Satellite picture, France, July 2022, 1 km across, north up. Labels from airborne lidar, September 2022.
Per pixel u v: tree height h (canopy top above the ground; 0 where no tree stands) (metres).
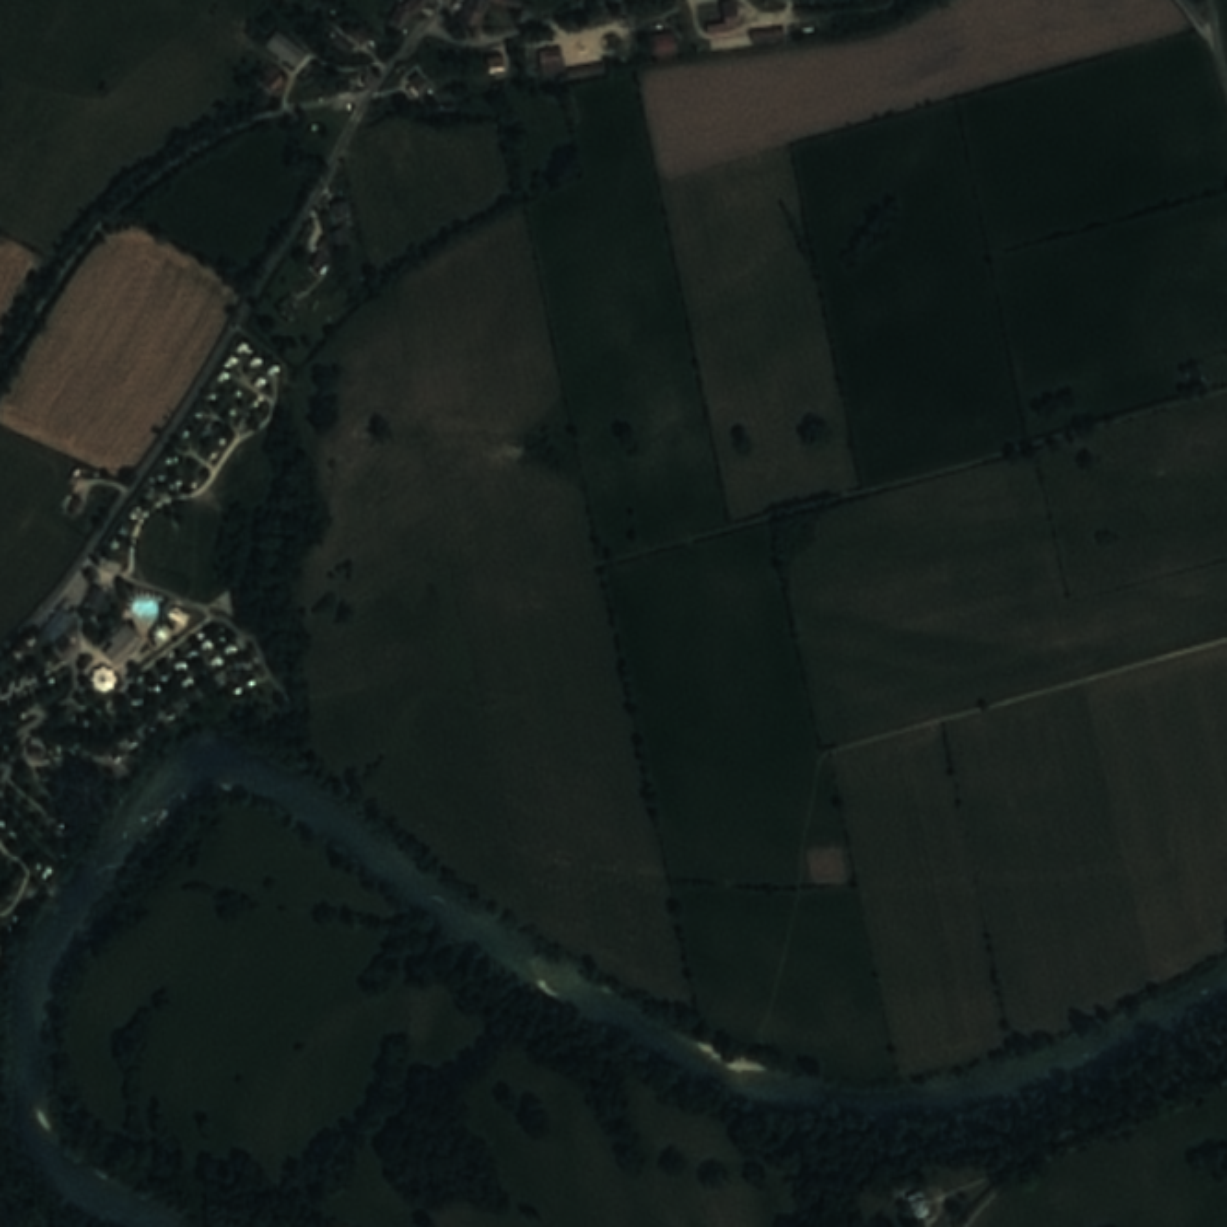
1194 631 0
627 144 0
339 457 0
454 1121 20
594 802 0
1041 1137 25
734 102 0
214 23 0
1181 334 0
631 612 0
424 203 0
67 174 0
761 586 0
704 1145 0
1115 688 0
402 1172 21
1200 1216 0
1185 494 0
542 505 0
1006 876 0
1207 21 0
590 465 0
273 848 0
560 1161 0
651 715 0
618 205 0
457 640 0
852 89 0
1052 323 0
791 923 0
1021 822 0
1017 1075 0
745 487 0
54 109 0
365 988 17
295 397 0
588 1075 8
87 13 0
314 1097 0
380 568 0
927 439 0
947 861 0
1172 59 0
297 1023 0
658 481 0
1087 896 0
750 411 0
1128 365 0
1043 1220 0
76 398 0
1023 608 0
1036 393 0
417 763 0
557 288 0
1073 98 0
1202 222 0
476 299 0
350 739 0
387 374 0
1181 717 0
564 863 0
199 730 15
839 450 0
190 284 0
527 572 0
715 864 0
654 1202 0
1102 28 0
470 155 0
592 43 0
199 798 17
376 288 13
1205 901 0
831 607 0
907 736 0
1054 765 0
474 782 0
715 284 0
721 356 0
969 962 0
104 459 0
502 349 0
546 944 7
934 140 0
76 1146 11
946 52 0
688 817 0
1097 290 0
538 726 0
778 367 0
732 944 0
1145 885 0
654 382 0
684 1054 0
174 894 0
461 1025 0
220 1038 0
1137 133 0
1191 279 0
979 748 0
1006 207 0
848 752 0
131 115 0
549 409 0
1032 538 0
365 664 0
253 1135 0
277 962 0
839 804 11
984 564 0
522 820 0
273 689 0
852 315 0
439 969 21
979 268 0
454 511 0
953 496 0
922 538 0
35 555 0
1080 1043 0
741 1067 0
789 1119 17
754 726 0
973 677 0
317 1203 6
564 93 15
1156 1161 0
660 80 0
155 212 0
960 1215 18
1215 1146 17
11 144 0
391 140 0
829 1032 0
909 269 0
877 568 0
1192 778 0
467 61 10
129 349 0
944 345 0
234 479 0
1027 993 0
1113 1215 0
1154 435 0
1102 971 0
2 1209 20
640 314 0
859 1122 20
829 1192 23
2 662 9
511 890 0
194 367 0
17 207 0
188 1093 0
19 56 0
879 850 0
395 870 0
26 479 0
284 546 14
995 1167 11
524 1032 21
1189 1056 27
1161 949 0
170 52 0
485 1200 20
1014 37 0
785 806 0
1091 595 0
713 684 0
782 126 0
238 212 0
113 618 6
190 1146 0
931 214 0
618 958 0
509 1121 0
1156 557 0
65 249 7
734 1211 0
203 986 0
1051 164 0
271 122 6
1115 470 0
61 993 15
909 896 0
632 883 0
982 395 0
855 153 0
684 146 0
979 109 0
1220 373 0
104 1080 0
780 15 0
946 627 0
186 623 0
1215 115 0
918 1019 0
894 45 0
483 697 0
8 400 0
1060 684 0
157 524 0
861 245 13
